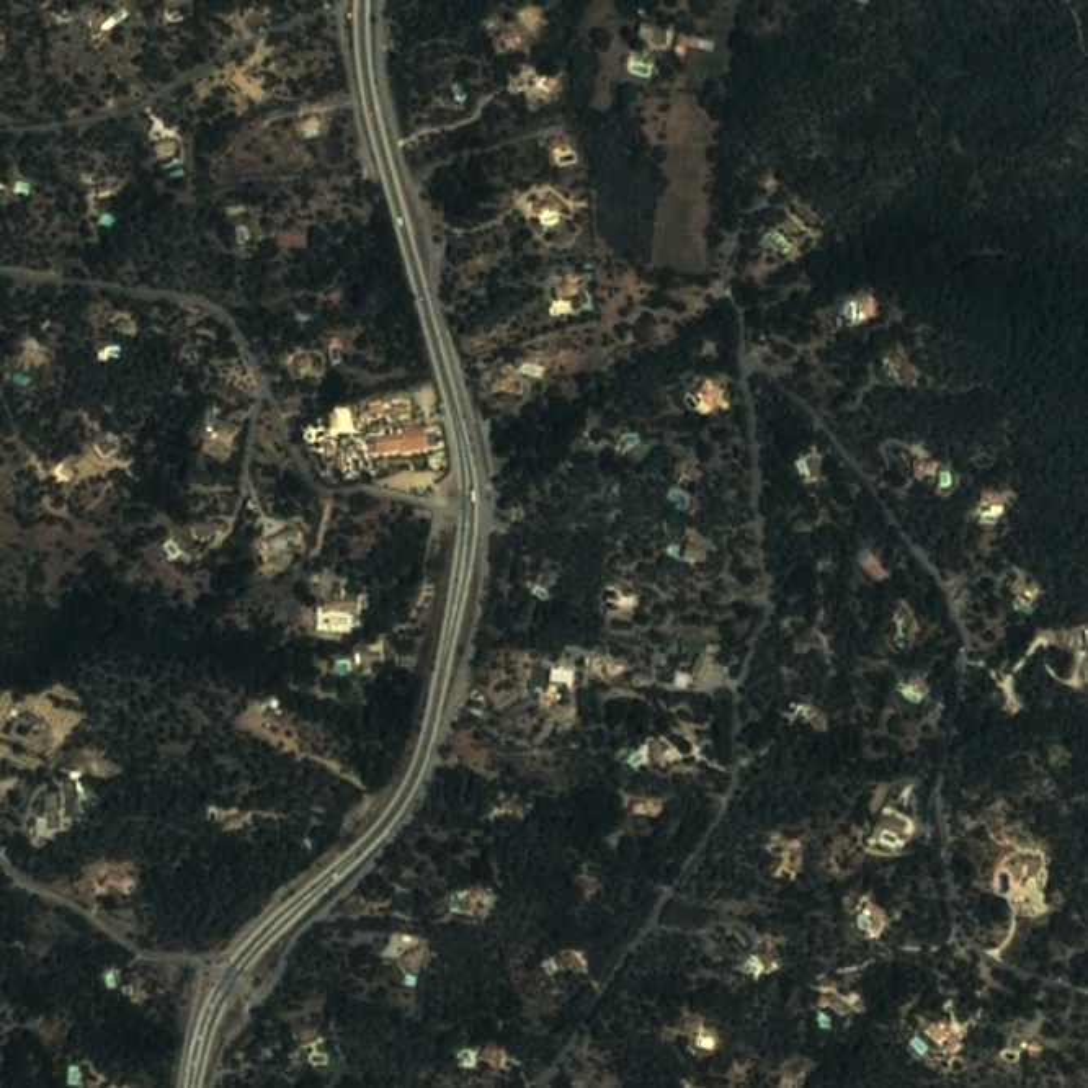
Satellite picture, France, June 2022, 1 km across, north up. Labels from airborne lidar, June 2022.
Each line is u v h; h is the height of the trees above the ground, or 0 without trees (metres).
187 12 7
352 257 16
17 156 16
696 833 13
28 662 12
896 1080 14
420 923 6
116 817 16
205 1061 0
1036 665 9
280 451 8
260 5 12
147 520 13
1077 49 11
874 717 6
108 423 13
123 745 8
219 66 8
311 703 16
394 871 26
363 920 7
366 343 12
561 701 11
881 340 11
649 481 6
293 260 9
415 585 9
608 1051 16
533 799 8
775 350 14
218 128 10
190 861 14
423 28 8
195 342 6
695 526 10
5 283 14
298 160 0
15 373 0
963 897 12
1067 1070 8
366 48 0
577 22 7
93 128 6
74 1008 6
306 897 0
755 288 8
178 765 7
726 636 10
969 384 13
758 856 13
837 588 10
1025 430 11
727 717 13
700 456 11
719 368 9
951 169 14
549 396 11
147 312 8
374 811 0
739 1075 0
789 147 13
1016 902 0
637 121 9
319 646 8
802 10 8
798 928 16
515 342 6
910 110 12
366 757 12
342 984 14
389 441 0
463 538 0
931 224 9
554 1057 6
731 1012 14
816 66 8
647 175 8
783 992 10
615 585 15
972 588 9
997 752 13
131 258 15
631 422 13
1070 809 6
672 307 15
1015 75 10
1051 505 9
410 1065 15
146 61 14
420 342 10
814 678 15
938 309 17
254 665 19
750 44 7
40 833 0
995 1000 10
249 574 12
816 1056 8
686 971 14
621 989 17
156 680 19
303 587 8
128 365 13
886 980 17
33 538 0
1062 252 9
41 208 7
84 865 15
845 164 7
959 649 8
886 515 7
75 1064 6
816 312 8
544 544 18
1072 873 9
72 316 18
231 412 7
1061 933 13
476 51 10
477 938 17
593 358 0
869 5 7
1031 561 15
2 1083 13
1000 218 8
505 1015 11
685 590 11
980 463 11
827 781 15
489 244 7
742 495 11
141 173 9
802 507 7
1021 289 19
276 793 13
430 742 0
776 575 15
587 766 7
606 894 12
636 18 6
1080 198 6
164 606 10
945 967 13
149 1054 13
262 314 13
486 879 10
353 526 7
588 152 8
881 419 12
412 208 0
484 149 10
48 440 8
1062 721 11
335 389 14
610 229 6
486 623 14
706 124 0
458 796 13
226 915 14
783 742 18
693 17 8
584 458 13
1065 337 18
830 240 9
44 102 6
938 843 9
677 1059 15
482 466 0
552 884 9
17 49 7
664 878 6
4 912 7
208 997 0
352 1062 12
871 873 7
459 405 0
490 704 11
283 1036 11
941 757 17
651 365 17
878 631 12
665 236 0
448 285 6
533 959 9
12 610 7
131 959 8
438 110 8
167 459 9
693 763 10
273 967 6
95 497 6
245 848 11
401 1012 10
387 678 12
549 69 16
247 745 11
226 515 6
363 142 0
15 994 9
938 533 12
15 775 11
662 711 8
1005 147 11
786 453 12
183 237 15
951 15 7
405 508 8
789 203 11
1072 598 6
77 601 15
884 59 10
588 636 17
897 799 7
